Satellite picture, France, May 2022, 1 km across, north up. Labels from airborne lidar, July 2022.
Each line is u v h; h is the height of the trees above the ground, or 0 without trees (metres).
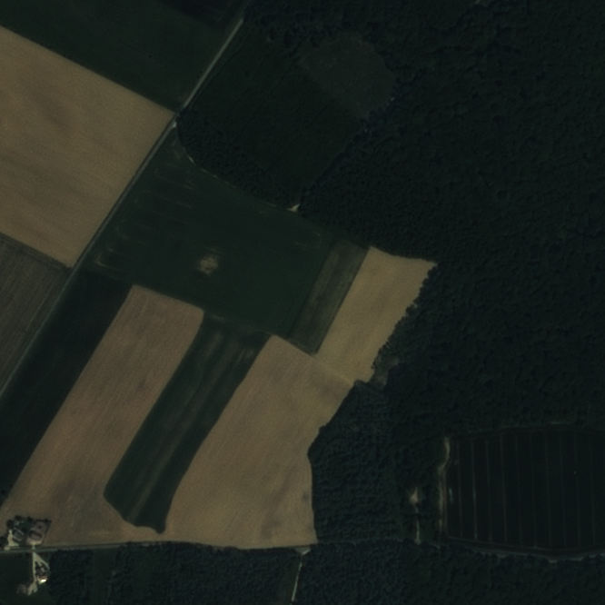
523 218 30
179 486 0
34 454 0
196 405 0
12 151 0
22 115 0
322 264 0
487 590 29
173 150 0
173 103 0
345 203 21
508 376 36
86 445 0
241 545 0
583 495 0
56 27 0
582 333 31
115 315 0
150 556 20
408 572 32
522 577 32
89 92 0
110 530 0
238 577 26
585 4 27
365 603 29
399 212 21
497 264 26
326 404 0
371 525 28
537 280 31
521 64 32
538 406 33
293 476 0
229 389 0
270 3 23
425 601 28
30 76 0
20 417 0
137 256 0
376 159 22
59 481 0
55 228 0
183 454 0
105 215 0
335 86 0
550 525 0
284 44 6
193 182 0
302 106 6
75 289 0
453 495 0
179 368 0
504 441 0
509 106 29
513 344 32
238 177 20
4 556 0
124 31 0
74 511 0
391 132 29
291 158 5
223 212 0
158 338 0
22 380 0
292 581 0
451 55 32
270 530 0
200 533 0
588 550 0
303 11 31
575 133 30
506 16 25
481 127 31
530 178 32
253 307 0
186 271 0
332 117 7
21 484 0
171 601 23
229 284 0
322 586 25
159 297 0
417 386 32
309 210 15
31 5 0
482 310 32
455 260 20
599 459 0
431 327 18
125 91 0
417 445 29
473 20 24
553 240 31
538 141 26
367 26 26
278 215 0
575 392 32
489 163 32
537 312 34
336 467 13
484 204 32
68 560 17
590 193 9
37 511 0
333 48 0
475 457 0
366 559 23
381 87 0
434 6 16
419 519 18
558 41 29
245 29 6
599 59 26
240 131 6
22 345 0
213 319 0
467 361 32
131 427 0
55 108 0
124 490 0
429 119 30
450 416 31
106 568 0
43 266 0
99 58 0
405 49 30
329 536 21
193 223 0
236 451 0
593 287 30
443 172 32
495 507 0
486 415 33
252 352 0
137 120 0
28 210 0
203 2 0
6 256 0
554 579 32
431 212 21
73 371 0
